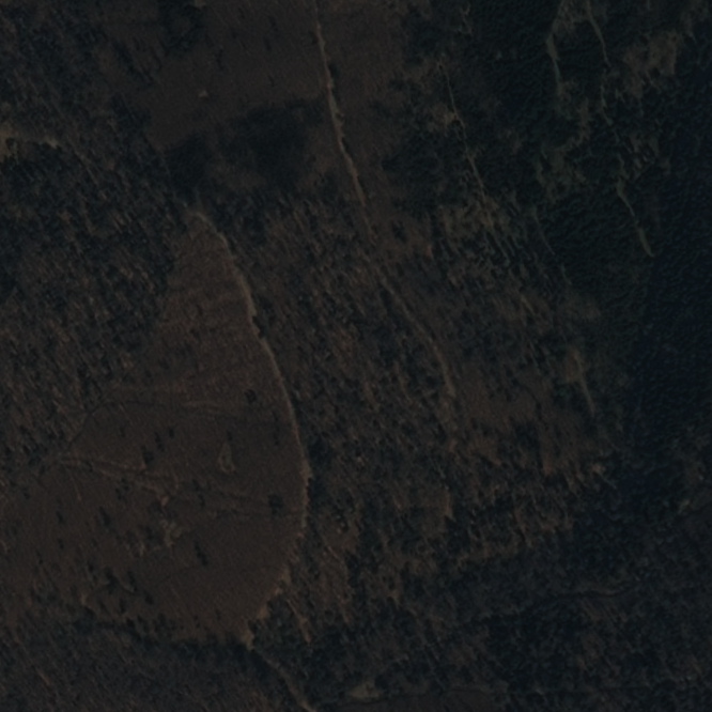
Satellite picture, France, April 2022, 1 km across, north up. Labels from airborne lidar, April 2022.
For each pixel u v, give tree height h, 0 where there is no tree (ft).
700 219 90
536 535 117
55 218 114
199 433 53
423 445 116
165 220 80
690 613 107
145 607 40
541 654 39
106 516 42
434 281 31
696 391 97
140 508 51
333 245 94
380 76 66
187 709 106
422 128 52
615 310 64
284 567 59
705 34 117
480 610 112
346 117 40
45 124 70
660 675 100
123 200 113
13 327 86
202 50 39
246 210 100
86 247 91
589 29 59
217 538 47
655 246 104
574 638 29
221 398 44
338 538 68
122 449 41
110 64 37
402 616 115
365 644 113
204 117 37
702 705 106
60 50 116
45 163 22
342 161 65
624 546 126
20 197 96
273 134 50
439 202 32
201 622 66
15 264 86
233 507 45
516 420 60
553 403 40
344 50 61
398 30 54
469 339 116
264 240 123
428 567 103
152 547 41
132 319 96
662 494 116
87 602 28
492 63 32
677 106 56
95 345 90
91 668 93
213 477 48
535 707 83
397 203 40
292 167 50
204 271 57
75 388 92
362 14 44
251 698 100
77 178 89
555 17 51
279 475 46
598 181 38
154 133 45
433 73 44
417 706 44
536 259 137
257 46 45
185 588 47
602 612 112
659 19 76
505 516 120
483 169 42
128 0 33
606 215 57
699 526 40
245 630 73
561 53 56
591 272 79
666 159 43
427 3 61
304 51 53
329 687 97
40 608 99
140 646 116
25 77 103
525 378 98
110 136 94
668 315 102
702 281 106
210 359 36
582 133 60
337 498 77
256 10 41
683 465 53
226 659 103
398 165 40
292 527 58
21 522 36
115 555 38
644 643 113
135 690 97
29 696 96
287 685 71
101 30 23
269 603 52
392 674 53
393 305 109
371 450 108
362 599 100
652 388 117
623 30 83
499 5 69
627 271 69
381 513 88
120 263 95
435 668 112
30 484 79
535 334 64
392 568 92
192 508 48
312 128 48
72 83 110
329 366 100
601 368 62
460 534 135
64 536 42
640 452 102
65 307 94
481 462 102
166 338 45
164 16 32
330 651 98
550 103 83
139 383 34
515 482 135
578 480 110
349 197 50
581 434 66
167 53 113
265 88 52
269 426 32
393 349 129
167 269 110
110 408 30
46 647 99
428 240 105
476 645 106
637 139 70
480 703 44
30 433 72
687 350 99
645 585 86
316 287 96
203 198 39
